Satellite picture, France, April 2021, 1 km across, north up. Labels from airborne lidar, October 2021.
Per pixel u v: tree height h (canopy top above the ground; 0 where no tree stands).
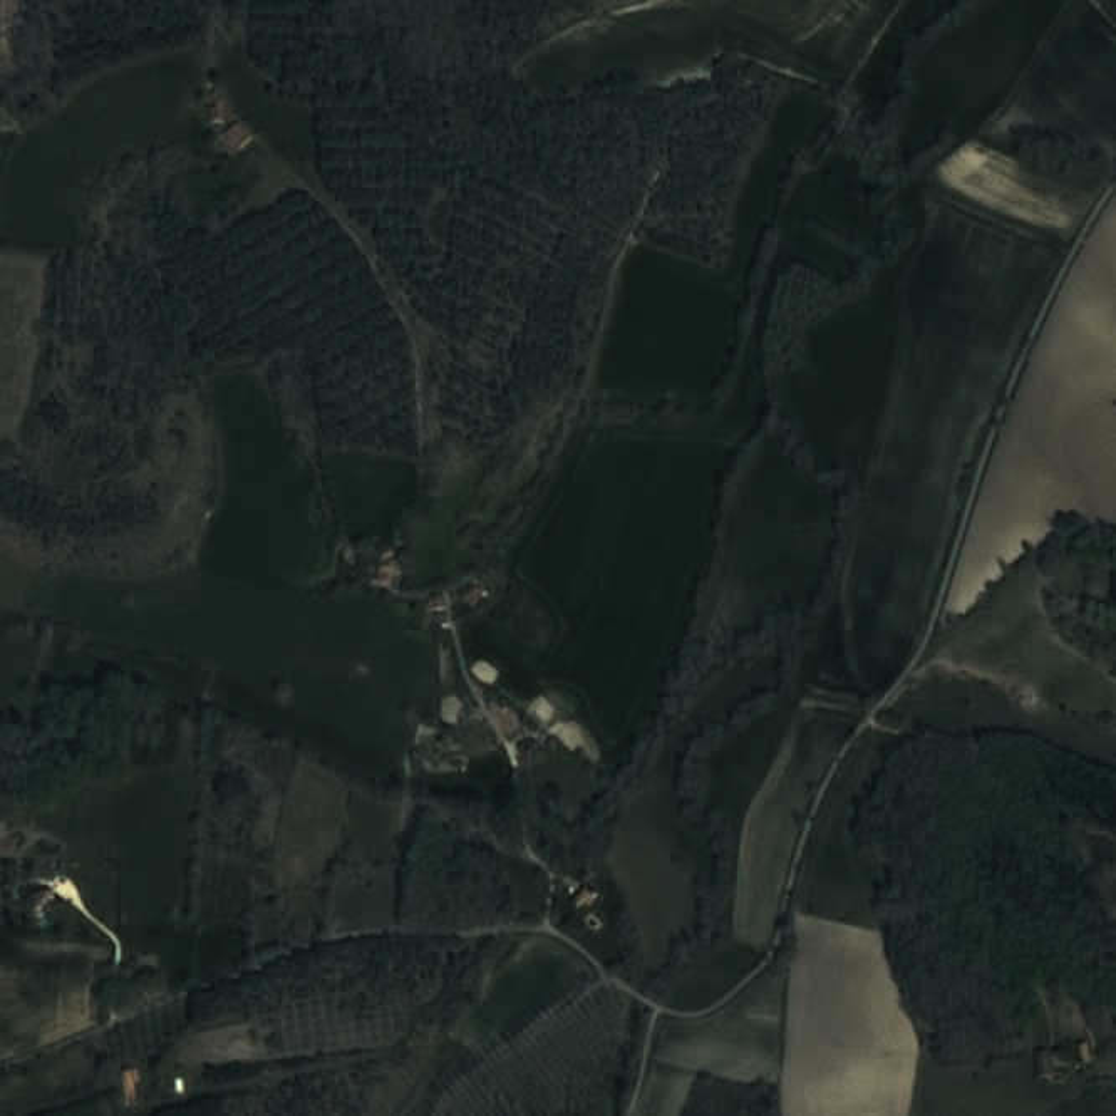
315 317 15
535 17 14
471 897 21
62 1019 0
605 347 0
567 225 9
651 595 0
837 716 0
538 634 0
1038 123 0
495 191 13
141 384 12
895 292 0
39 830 0
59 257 9
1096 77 0
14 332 0
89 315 11
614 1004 0
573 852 12
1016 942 17
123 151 0
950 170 0
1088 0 0
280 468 0
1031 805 19
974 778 21
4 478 10
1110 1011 17
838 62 0
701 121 13
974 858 16
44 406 10
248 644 0
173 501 0
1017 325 0
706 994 0
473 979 15
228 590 0
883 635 0
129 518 11
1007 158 0
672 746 0
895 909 14
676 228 13
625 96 17
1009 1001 20
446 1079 13
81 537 12
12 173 0
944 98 0
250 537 0
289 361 9
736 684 0
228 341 16
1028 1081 0
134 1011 17
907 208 0
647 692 0
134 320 10
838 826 0
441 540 0
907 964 13
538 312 12
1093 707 0
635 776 10
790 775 0
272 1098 7
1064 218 0
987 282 0
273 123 0
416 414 10
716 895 16
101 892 0
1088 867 18
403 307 11
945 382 0
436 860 28
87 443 7
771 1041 0
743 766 0
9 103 16
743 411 0
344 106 17
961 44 0
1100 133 0
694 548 0
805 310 31
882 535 0
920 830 19
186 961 0
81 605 0
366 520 0
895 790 17
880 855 10
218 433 0
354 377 12
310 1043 11
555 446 17
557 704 0
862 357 0
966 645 0
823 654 0
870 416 0
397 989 7
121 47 9
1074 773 19
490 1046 0
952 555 0
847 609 0
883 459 0
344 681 0
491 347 10
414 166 12
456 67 18
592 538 0
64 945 0
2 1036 0
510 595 10
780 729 0
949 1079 0
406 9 19
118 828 0
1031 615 0
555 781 0
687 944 13
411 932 19
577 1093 0
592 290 7
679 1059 0
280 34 16
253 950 10
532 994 0
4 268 0
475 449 16
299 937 7
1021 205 0
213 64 14
